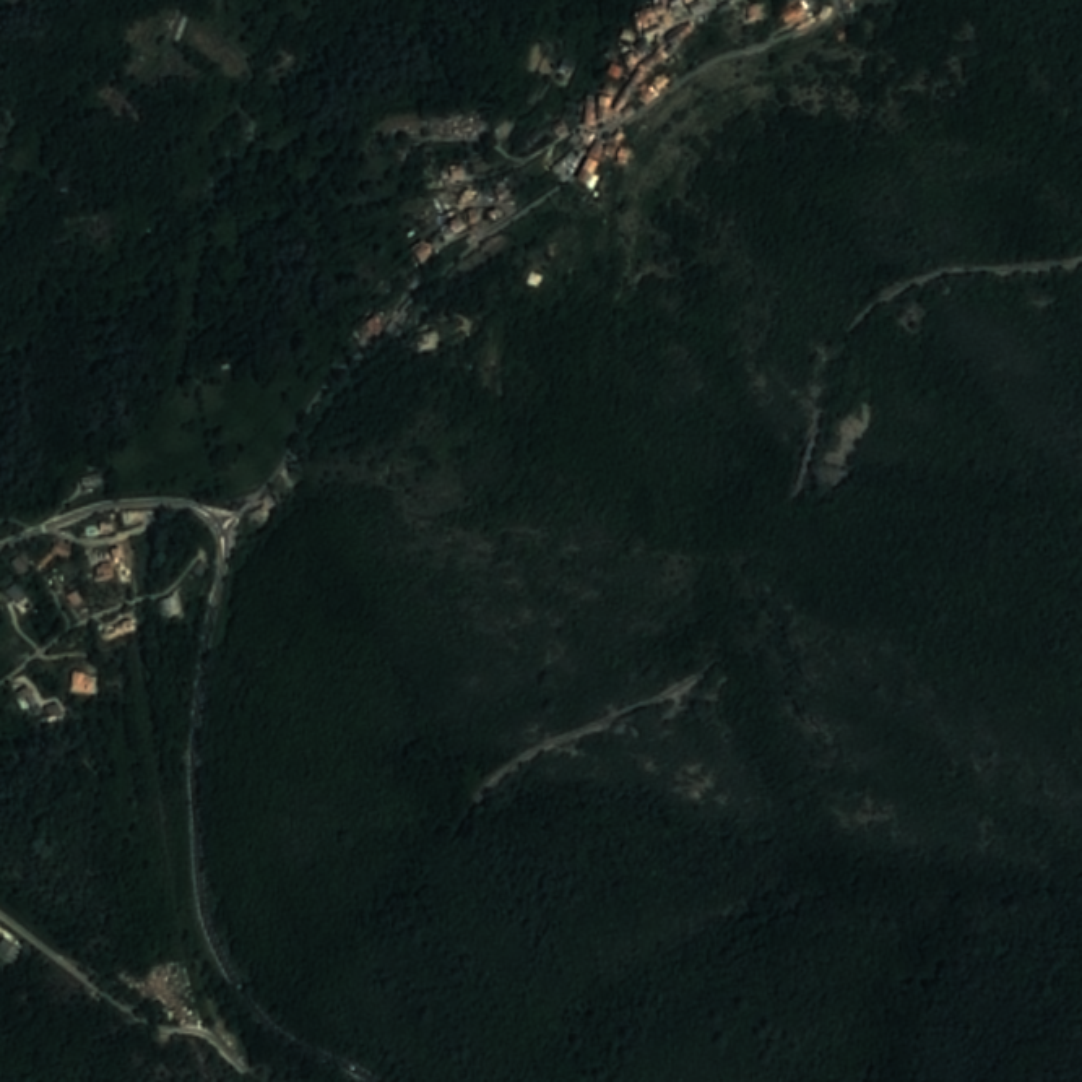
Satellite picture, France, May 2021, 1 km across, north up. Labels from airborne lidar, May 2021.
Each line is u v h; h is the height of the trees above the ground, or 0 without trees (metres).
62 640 6
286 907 12
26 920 0
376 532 6
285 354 22
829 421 7
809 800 10
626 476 11
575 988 7
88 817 16
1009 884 27
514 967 9
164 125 10
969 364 12
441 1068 8
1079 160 12
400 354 14
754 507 11
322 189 19
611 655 6
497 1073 13
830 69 7
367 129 13
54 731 12
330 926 12
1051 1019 19
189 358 10
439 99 19
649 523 10
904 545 14
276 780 9
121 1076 10
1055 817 8
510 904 16
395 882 19
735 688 13
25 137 18
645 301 6
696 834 17
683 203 14
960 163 6
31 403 21
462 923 7
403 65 29
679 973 16
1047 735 5
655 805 20
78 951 10
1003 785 6
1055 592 14
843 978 9
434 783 18
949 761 10
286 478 0
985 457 8
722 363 9
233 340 17
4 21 24
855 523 10
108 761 17
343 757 9
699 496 13
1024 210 8
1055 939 16
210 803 18
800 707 9
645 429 7
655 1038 7
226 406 0
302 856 8
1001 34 10
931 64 11
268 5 15
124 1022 10
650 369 8
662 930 5
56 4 16
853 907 20
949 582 10
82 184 18
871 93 9
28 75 12
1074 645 10
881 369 9
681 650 16
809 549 7
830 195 10
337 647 13
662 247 15
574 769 7
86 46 12
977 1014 13
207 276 15
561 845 15
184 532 16
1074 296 9
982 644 9
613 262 7
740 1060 9
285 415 0
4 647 0
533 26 13
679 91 0
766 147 14
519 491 8
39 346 13
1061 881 22
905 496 15
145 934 12
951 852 15
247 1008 16
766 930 22
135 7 12
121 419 20
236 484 0
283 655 8
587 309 11
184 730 15
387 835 11
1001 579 11
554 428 14
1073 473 6
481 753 7
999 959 11
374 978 7
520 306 7
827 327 13
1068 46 13
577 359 13
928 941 28
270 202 12
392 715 8
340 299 10
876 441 8
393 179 8
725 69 0
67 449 17
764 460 20
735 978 12
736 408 6
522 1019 10
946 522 16
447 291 11
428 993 15
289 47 16
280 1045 16
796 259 7
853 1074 15
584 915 10
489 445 7
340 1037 8
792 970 16
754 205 12
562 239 0
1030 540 12
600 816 16
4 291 11
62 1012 13
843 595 8
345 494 7
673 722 6
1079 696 7
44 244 13
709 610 17
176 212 19
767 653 7
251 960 14
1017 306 10
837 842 21
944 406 9
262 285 14
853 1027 11
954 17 11
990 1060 13
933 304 12
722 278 7
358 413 13
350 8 12
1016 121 9
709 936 15
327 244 7
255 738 14
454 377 7
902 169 7
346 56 20
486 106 15
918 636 12
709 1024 9
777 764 11
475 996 11
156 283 17
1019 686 6
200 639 16
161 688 16
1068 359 7
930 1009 18
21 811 13
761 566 10
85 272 14
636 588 7
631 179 0
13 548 7
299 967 15
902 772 7
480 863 11
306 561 15
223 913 12
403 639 7
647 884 11
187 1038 6
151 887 7
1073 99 7
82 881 14
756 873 10
